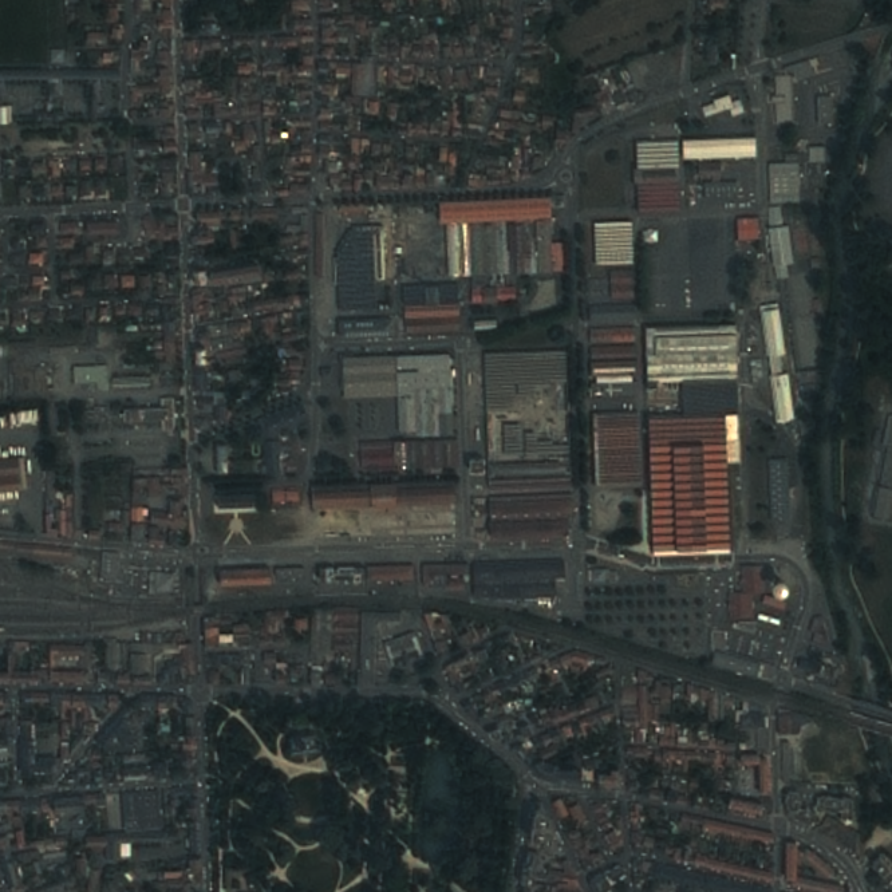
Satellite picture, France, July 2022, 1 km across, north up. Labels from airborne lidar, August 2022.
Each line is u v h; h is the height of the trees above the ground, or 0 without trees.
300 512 0
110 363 0
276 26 6
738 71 0
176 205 0
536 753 9
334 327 0
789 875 0
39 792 0
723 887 0
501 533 0
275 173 6
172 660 0
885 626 0
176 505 0
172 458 13
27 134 9
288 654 0
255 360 9
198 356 0
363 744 14
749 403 0
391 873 29
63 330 0
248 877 13
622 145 0
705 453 0
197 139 0
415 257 0
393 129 8
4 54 0
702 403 0
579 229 13
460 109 8
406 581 0
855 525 15
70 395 0
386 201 11
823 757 0
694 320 0
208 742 10
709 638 0
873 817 14
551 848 0
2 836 0
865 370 27
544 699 10
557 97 11
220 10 7
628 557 0
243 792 18
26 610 0
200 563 0
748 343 0
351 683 13
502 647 6
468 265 0
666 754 0
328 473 9
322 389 0
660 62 0
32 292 0
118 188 0
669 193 0
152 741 8
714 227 0
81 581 0
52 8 0
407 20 5
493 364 0
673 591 0
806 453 7
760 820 0
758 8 0
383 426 0
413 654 0
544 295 0
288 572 0
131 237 0
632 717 0
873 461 0
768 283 0
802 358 0
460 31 6
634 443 0
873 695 0
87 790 0
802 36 0
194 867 0
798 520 0
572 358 11
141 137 6
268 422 0
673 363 0
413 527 0
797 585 0
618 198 0
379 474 9
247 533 0
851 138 24
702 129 14
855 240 12
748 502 0
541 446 0
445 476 7
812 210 29
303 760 0
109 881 9
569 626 14
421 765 18
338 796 29
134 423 0
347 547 0
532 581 0
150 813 0
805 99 0
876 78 0
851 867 0
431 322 0
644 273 16
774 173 0
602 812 0
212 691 0
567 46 0
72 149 0
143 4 0
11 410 10
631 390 0
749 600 0
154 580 0
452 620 9
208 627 0
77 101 0
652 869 0
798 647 0
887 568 0
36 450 12
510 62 0
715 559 0
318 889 0
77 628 0
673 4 0
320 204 12
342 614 0
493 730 0
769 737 0
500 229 0
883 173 0
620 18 0
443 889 21
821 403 33
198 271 0
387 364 0
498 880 16
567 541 0
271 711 19
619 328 0
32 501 0
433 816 23
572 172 0
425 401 0
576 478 12
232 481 9
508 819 18
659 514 0
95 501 0
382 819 20
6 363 0
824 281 19
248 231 7
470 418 0
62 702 0
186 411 0
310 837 0
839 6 0
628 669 0
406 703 16
